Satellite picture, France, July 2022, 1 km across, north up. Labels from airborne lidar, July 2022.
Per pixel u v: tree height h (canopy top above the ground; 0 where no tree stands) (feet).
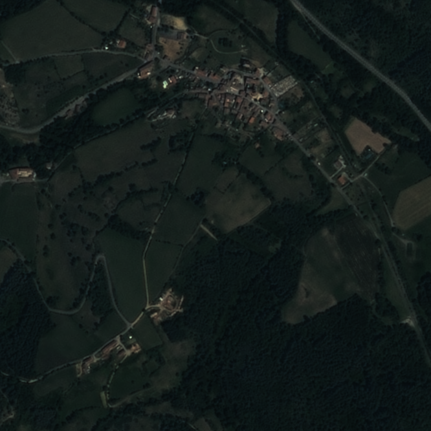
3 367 73
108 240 0
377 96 55
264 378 55
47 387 0
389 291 0
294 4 0
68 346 0
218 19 0
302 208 33
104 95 63
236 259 93
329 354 74
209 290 83
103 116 0
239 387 47
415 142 21
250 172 41
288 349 78
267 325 68
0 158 20
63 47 0
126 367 0
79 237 0
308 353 81
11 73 25
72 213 0
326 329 50
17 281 68
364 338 35
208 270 73
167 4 47
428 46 44
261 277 79
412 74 40
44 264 0
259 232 50
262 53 0
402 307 0
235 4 0
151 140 0
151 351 30
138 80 43
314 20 0
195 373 78
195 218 0
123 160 0
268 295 34
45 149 64
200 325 79
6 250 0
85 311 0
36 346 83
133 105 0
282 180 0
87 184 37
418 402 43
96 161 0
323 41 53
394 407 48
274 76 0
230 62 0
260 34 34
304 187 0
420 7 66
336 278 0
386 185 0
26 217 0
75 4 0
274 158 0
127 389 0
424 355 58
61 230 0
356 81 27
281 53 51
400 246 0
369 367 80
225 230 0
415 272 0
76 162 0
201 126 21
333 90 64
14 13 49
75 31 0
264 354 33
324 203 42
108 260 0
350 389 104
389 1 24
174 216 0
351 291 0
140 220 0
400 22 23
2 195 0
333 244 0
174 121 0
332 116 24
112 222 56
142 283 0
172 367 0
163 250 0
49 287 0
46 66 0
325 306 0
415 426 43
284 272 46
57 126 31
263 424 44
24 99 0
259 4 0
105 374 0
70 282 0
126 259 0
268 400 58
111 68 0
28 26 0
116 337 0
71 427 0
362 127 0
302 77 24
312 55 0
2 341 88
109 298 19
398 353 51
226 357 23
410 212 0
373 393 115
